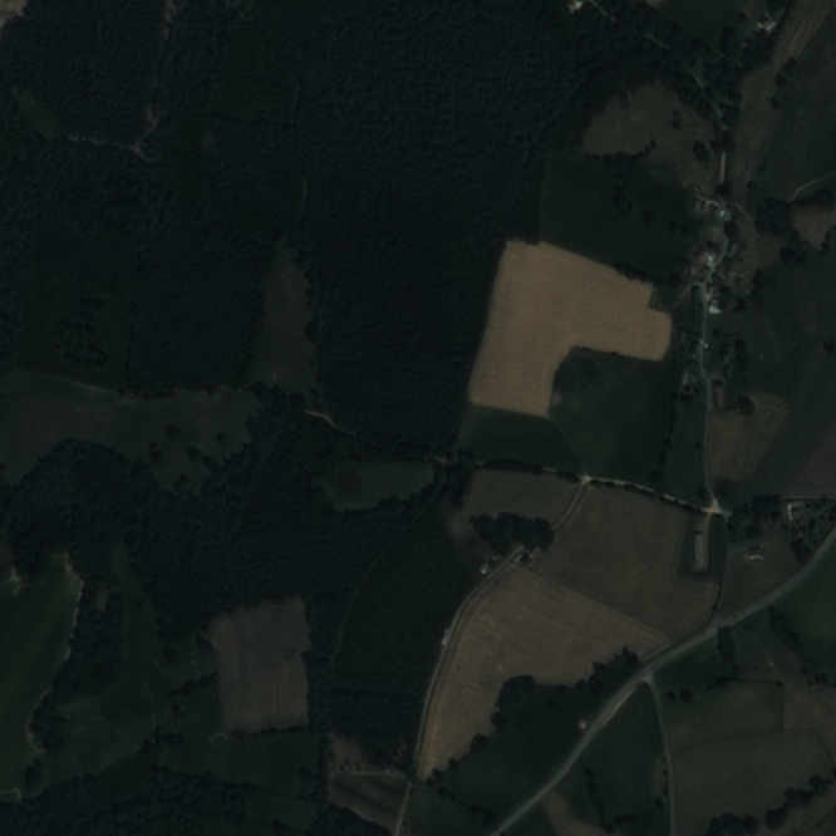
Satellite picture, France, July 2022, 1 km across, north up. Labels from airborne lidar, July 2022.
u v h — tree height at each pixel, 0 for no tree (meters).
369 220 15
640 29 22
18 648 0
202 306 12
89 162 25
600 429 0
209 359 12
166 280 16
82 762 0
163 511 20
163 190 28
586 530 0
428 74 27
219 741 0
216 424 0
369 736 17
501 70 26
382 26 28
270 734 7
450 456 12
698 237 0
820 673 0
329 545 18
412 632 0
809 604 0
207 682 18
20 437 0
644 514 0
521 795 0
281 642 0
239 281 10
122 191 22
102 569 20
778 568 0
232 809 7
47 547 23
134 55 24
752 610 0
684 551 0
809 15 0
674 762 0
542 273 0
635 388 0
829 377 0
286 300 0
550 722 0
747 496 0
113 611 21
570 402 0
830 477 0
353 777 0
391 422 15
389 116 20
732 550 0
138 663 0
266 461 12
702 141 0
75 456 18
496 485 0
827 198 19
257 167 9
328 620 11
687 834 0
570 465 0
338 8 15
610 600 0
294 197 11
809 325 0
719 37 0
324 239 15
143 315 11
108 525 25
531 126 22
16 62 24
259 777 0
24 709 0
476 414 0
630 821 14
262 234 11
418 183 21
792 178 0
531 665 0
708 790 0
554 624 0
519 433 0
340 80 16
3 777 0
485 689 0
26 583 0
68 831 30
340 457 11
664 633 0
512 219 15
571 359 0
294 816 0
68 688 23
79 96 22
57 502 18
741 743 0
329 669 20
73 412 0
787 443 0
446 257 10
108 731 0
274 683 0
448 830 0
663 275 0
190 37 28
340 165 22
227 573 24
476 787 0
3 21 0
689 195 0
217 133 7
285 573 18
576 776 0
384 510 17
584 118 21
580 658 0
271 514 12
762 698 0
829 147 0
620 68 28
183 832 11
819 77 0
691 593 0
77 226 23
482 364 0
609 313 0
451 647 0
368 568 16
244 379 13
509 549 13
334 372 15
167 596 21
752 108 0
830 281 0
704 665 0
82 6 11
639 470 0
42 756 0
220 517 29
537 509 0
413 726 16
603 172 0
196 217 12
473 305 12
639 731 0
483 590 0
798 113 0
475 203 9
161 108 19
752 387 0
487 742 17
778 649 0
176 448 0
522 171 19
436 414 14
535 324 0
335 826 24
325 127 16
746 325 0
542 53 22
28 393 0
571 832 0
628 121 0
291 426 9
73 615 0
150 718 0
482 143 15
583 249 0
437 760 0
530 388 0
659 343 0
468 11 25
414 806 0
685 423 0
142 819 23
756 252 0
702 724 0
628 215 16
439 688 0
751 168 0
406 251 13
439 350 11
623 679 0
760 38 13
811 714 0
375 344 15
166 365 13
